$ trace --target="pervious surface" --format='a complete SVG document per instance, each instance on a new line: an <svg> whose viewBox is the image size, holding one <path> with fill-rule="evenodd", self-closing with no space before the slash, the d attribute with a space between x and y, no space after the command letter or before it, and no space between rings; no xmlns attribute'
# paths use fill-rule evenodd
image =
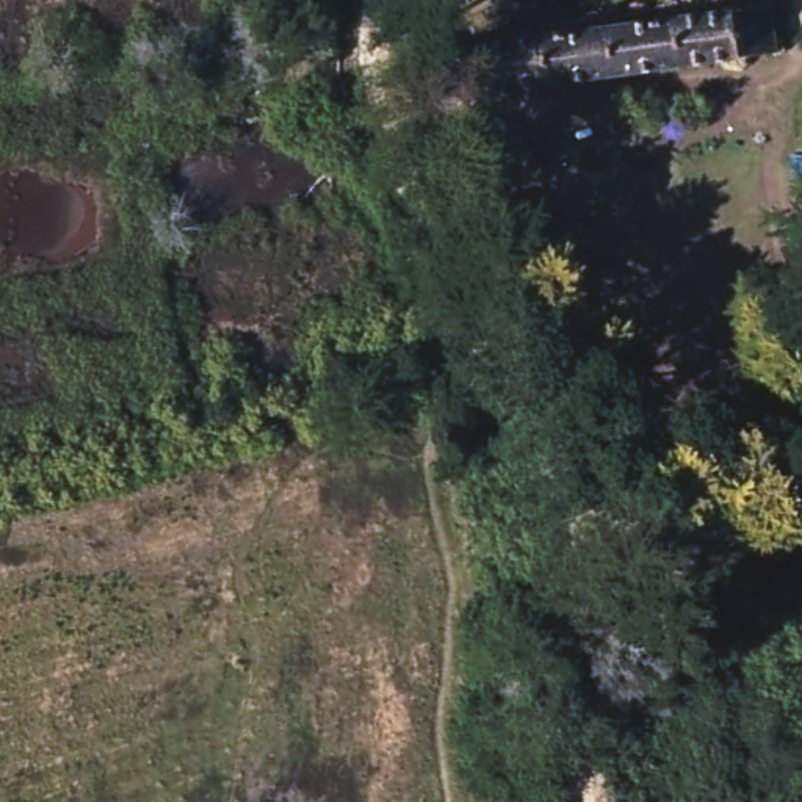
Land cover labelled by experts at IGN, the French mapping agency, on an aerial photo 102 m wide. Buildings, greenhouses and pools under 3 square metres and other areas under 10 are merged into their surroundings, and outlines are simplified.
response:
<svg viewBox="0 0 802 802"><path fill-rule="evenodd" d="M595 81L583 69L580 81L573 81L570 69L536 69L529 66L529 56L551 34L583 38L595 25L674 22L680 16L702 19L708 13L733 16L739 56L746 63L739 75L711 78L699 85L714 122L724 122L727 135L746 138L758 150L758 179L768 185L768 191L758 197L758 213L789 210L793 179L802 172L802 0L476 0L467 13L467 22L473 31L486 28L495 41L495 50L504 56L504 75L492 97L495 107L529 138L536 128L529 110L542 97L592 91L620 103L623 91L633 91L633 97L639 91L655 91L658 97L674 97L683 94L686 85L677 75L623 75Z"/></svg>
<svg viewBox="0 0 802 802"><path fill-rule="evenodd" d="M508 539L498 529L498 523L461 514L461 489L454 482L435 479L432 417L417 417L417 429L417 442L423 445L423 482L429 514L435 523L448 573L442 686L435 699L435 752L445 802L454 802L457 783L451 774L448 711L464 686L464 677L454 670L454 630L464 605L476 592L492 586L489 573L482 570L482 561L514 561L514 551L508 548Z"/></svg>
<svg viewBox="0 0 802 802"><path fill-rule="evenodd" d="M360 75L370 100L379 103L376 122L382 125L382 132L395 132L404 122L414 122L407 113L414 103L407 88L385 88L382 69L388 63L388 47L373 44L373 25L360 25L357 47L351 56L341 56L326 44L310 53L301 53L294 69L288 69L288 81L301 81L316 66L323 69L348 72L360 66Z"/></svg>
<svg viewBox="0 0 802 802"><path fill-rule="evenodd" d="M736 279L755 263L758 254L764 254L774 263L783 260L780 238L764 238L761 232L755 232L749 247L739 244L724 260L727 273Z"/></svg>
<svg viewBox="0 0 802 802"><path fill-rule="evenodd" d="M589 777L583 796L576 789L567 793L567 802L608 802L605 777L598 774Z"/></svg>

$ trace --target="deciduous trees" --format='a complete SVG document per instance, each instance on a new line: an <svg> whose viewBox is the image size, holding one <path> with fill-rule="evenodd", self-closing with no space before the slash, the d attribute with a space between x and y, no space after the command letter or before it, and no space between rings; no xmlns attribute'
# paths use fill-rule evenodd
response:
<svg viewBox="0 0 802 802"><path fill-rule="evenodd" d="M407 435L410 429L417 429L417 417L432 417L435 479L454 482L464 479L473 467L473 454L498 435L498 420L479 404L473 388L464 388L451 376L439 338L407 341L404 351L398 351L398 357L388 357L385 351L363 351L348 354L348 367L326 360L323 376L310 376L310 398L304 401L301 414L310 417L310 432L323 445L341 451L370 451L382 429L395 435Z"/></svg>
<svg viewBox="0 0 802 802"><path fill-rule="evenodd" d="M733 576L739 558L746 558L752 548L802 548L802 432L789 439L786 454L777 454L758 429L742 429L736 423L736 407L730 407L727 401L708 392L680 392L674 401L670 432L680 448L674 448L664 461L655 461L648 451L630 451L627 439L639 432L639 382L633 379L633 373L623 373L614 363L614 357L602 351L589 351L586 357L583 351L570 348L564 329L564 307L551 307L539 294L539 288L529 285L526 304L533 320L526 332L526 360L536 367L533 388L539 401L558 401L570 388L598 398L592 414L592 432L580 423L567 423L558 445L567 451L567 461L576 470L576 495L586 508L592 508L595 526L586 526L580 533L558 529L555 539L548 539L548 576L539 583L536 592L545 595L545 608L551 614L545 614L536 630L520 627L514 614L495 617L492 633L476 645L476 658L479 677L492 680L504 692L504 702L495 705L504 714L504 733L498 739L504 746L533 746L536 755L545 758L545 774L551 777L551 783L567 793L576 789L583 796L589 777L598 774L602 758L620 758L617 752L627 736L639 739L655 733L655 714L661 708L683 711L689 692L708 692L714 683L730 686L746 674L742 652L714 652L705 642L708 630L714 627L714 617L708 611L711 586L717 580Z"/></svg>

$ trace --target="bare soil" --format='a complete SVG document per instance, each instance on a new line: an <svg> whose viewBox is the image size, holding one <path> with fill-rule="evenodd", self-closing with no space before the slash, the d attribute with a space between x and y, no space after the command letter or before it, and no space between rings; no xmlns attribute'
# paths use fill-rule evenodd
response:
<svg viewBox="0 0 802 802"><path fill-rule="evenodd" d="M338 517L329 517L320 508L320 479L313 457L304 457L298 464L288 486L279 479L276 467L254 473L241 486L219 470L188 470L169 482L138 489L128 492L116 501L78 504L75 511L28 514L13 523L13 545L44 542L41 558L56 573L128 570L128 576L135 580L138 573L150 570L175 573L172 614L185 611L191 598L210 592L216 592L222 602L232 602L232 573L247 570L244 555L254 545L282 542L288 548L288 564L313 561L320 580L332 583L326 614L338 614L341 608L354 605L354 598L370 583L370 558L382 526L370 520L351 536L341 533Z"/></svg>
<svg viewBox="0 0 802 802"><path fill-rule="evenodd" d="M367 652L357 655L348 648L329 652L329 658L335 661L370 667L376 721L354 727L357 742L363 742L367 749L360 755L326 758L313 764L294 764L288 758L288 774L263 793L260 802L367 802L367 789L373 796L382 796L385 786L395 780L398 755L410 739L404 695L392 683L388 636L379 636L367 642Z"/></svg>

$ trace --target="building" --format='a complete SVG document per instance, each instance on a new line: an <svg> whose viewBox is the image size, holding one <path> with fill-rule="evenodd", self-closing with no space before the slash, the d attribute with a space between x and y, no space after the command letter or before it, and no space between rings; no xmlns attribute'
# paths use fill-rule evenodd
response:
<svg viewBox="0 0 802 802"><path fill-rule="evenodd" d="M583 38L551 34L529 56L529 66L536 69L570 69L573 81L580 81L583 69L595 81L623 75L677 75L686 85L699 85L711 78L739 75L746 63L739 56L733 16L708 13L702 19L680 16L674 22L595 25Z"/></svg>

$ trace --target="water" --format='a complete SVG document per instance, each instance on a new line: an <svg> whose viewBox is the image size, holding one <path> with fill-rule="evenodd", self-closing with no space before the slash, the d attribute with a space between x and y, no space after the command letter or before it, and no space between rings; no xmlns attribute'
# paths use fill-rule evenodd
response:
<svg viewBox="0 0 802 802"><path fill-rule="evenodd" d="M160 185L175 194L182 197L188 219L201 226L219 222L241 210L254 210L263 216L269 238L276 238L282 222L276 210L285 201L298 201L301 207L307 207L313 197L313 172L301 160L285 157L273 144L266 144L263 128L247 122L235 116L219 116L216 125L235 132L235 144L213 141L213 150L207 157L191 157L182 163L154 163L154 175L160 179Z"/></svg>
<svg viewBox="0 0 802 802"><path fill-rule="evenodd" d="M75 254L97 254L110 219L107 213L119 201L125 201L125 194L113 188L110 169L85 175L69 169L63 182L47 182L38 172L0 172L0 273L22 257L69 260Z"/></svg>

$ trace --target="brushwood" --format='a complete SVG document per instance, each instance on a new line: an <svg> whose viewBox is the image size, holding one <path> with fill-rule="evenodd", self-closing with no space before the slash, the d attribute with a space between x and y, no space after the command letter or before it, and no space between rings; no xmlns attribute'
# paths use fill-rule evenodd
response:
<svg viewBox="0 0 802 802"><path fill-rule="evenodd" d="M28 514L75 511L78 504L116 501L128 492L125 479L113 473L113 451L97 439L75 435L72 426L63 426L60 432L63 448L50 445L44 435L28 435L25 457L9 470L0 467L0 533L3 523L13 523Z"/></svg>
<svg viewBox="0 0 802 802"><path fill-rule="evenodd" d="M539 401L533 388L536 367L526 360L526 332L533 320L526 304L529 285L539 288L539 294L551 307L564 307L573 301L580 276L570 269L567 260L561 260L551 251L551 244L542 235L511 232L508 201L498 194L501 144L489 144L479 138L486 132L486 110L495 107L492 97L504 75L504 56L495 50L495 41L486 28L473 31L467 22L467 13L476 0L367 0L360 25L373 25L373 44L388 47L388 63L382 69L385 88L407 88L414 103L407 113L414 122L404 122L395 132L382 132L382 125L376 122L379 103L370 100L360 75L354 78L354 107L348 110L332 103L332 85L323 78L323 69L316 66L301 81L288 81L288 69L294 69L301 53L310 53L326 44L332 38L335 19L320 13L323 0L31 0L31 47L19 63L19 78L28 88L50 88L63 94L69 91L75 69L94 66L97 72L116 69L113 85L119 94L135 88L138 94L154 94L157 103L179 100L188 107L197 107L207 97L213 97L213 91L226 81L229 63L241 60L241 41L235 38L232 25L232 13L241 3L244 19L257 38L257 60L266 66L266 85L254 85L254 103L260 103L260 116L251 116L247 122L263 128L266 144L273 144L285 157L301 160L313 172L313 197L332 219L332 226L348 229L363 247L373 247L376 254L363 263L354 263L354 273L348 276L348 285L341 291L345 304L338 310L332 307L316 323L307 323L307 332L294 341L294 354L266 351L273 345L273 332L260 329L257 323L247 326L244 320L213 320L210 291L201 285L197 276L179 273L179 263L185 263L191 254L188 235L201 226L188 219L182 197L175 194L172 210L166 207L150 219L150 232L154 241L169 251L169 260L163 263L163 301L169 310L169 335L175 338L175 363L182 367L182 382L175 385L172 407L150 404L147 417L160 420L166 429L160 435L160 467L138 473L138 489L169 482L188 470L219 470L241 486L254 473L276 467L273 454L279 454L282 445L291 445L298 439L291 423L301 414L304 401L310 398L310 376L323 376L326 360L348 367L348 354L363 351L385 351L388 357L398 357L398 351L404 351L407 341L439 338L451 376L464 388L473 388L479 404L498 420L498 435L473 454L473 467L464 479L454 482L461 489L461 514L498 523L498 529L508 539L508 548L514 551L514 561L482 561L482 570L489 573L492 586L476 592L464 605L454 630L454 670L464 677L464 686L448 711L451 774L457 783L454 802L567 802L567 793L551 783L551 777L545 774L545 758L536 755L533 746L504 746L498 739L504 733L504 714L495 705L504 702L504 692L492 680L479 677L476 658L476 645L492 633L495 617L514 614L520 627L536 630L545 614L551 614L545 608L545 595L536 592L539 583L548 576L548 539L555 539L558 529L580 533L586 526L595 526L592 508L586 508L576 495L576 470L567 461L567 451L558 445L567 423L580 423L592 432L592 414L598 398L570 388L558 401Z"/></svg>
<svg viewBox="0 0 802 802"><path fill-rule="evenodd" d="M749 379L739 385L736 395L727 395L727 401L730 407L736 407L736 423L742 429L758 429L777 454L786 454L789 439L802 432L802 172L793 179L789 210L789 226L780 232L780 238L783 260L774 263L764 254L758 254L755 263L736 279L730 320L736 332L736 357Z"/></svg>
<svg viewBox="0 0 802 802"><path fill-rule="evenodd" d="M802 802L802 548L752 548L746 558L739 558L733 576L717 580L711 586L708 611L714 617L714 627L708 630L705 642L714 652L742 652L746 674L730 686L714 683L708 692L689 692L683 711L661 708L655 714L655 733L639 739L627 736L617 752L620 758L602 758L598 774L605 777L608 802Z"/></svg>
<svg viewBox="0 0 802 802"><path fill-rule="evenodd" d="M633 91L623 91L620 103L620 113L633 125L630 144L642 144L642 138L661 135L667 141L680 141L683 128L714 122L699 85L686 85L683 94L674 97L658 97L655 91L639 91L633 97Z"/></svg>

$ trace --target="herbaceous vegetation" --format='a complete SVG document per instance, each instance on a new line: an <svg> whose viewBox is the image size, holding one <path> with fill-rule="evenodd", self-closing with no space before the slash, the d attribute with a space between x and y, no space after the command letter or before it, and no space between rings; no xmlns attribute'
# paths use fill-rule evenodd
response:
<svg viewBox="0 0 802 802"><path fill-rule="evenodd" d="M642 138L642 144L630 144L633 125L620 113L620 103L592 91L542 97L529 110L536 128L529 138L495 107L486 110L486 132L479 138L489 144L501 144L498 194L508 201L511 232L542 235L551 244L551 251L561 260L567 260L570 269L580 276L573 301L564 307L564 329L570 348L583 351L586 357L589 351L602 351L614 357L614 363L623 373L633 373L633 379L639 382L639 432L627 439L630 451L648 451L655 461L664 461L674 448L680 448L670 432L674 401L680 392L708 392L727 401L727 395L736 395L739 385L749 379L736 357L736 332L730 320L736 279L727 273L724 260L739 244L749 247L755 232L761 232L764 238L780 238L780 232L789 226L789 210L758 213L758 197L768 191L768 185L758 179L758 150L746 138L727 135L724 122L714 122L683 128L680 141L667 141L661 135Z"/></svg>
<svg viewBox="0 0 802 802"><path fill-rule="evenodd" d="M448 573L435 523L429 514L423 482L423 445L417 442L417 429L410 429L407 435L395 435L382 429L370 451L341 451L323 445L310 432L310 417L301 414L291 423L298 439L291 445L282 445L279 454L273 454L276 467L279 479L288 486L298 464L304 457L313 457L320 479L320 508L329 517L338 517L341 533L351 536L370 520L382 526L370 558L370 583L354 598L354 605L341 608L338 614L326 614L332 583L320 580L313 561L288 564L288 548L282 542L254 545L244 555L247 570L232 573L232 602L222 602L216 592L210 592L191 598L185 611L172 614L175 573L150 570L138 573L135 580L128 576L128 570L56 573L41 558L44 542L13 545L13 523L3 523L0 533L0 802L260 802L263 793L288 774L288 758L294 764L313 764L326 758L360 755L367 749L363 742L357 742L354 727L376 721L370 667L335 661L329 658L329 652L348 648L357 655L367 652L367 642L379 636L388 636L392 683L404 695L410 739L398 755L395 780L385 786L382 796L373 796L367 789L367 802L445 802L435 752L435 699L442 686Z"/></svg>
<svg viewBox="0 0 802 802"><path fill-rule="evenodd" d="M188 235L191 254L185 263L179 263L179 273L197 276L201 285L210 291L213 320L244 320L247 326L257 323L260 329L273 332L273 345L266 351L294 354L294 341L307 332L307 323L316 323L332 307L338 310L345 304L341 291L348 285L348 276L354 273L354 263L363 263L376 254L373 247L363 247L348 229L332 226L332 219L313 197L307 207L301 207L298 201L285 201L276 210L282 222L276 238L269 238L263 216L254 210L241 210L219 222L201 226Z"/></svg>
<svg viewBox="0 0 802 802"><path fill-rule="evenodd" d="M332 85L332 103L348 110L354 107L354 78L360 75L360 66L348 72L323 69L323 78Z"/></svg>
<svg viewBox="0 0 802 802"><path fill-rule="evenodd" d="M332 38L326 44L341 56L351 56L357 47L360 25L367 0L323 0L320 13L335 19Z"/></svg>
<svg viewBox="0 0 802 802"><path fill-rule="evenodd" d="M128 492L138 489L138 473L160 467L160 435L166 429L160 420L147 417L150 404L172 407L175 385L182 382L182 367L175 363L175 338L169 335L169 310L163 301L163 263L169 260L169 251L154 241L150 232L150 219L166 207L172 210L175 194L160 185L160 179L154 175L154 163L182 163L191 157L207 157L213 150L213 141L235 144L235 132L216 125L219 116L235 116L247 122L251 116L260 116L260 103L254 103L254 85L266 85L266 66L257 60L257 38L244 19L241 3L232 13L232 25L235 38L241 41L241 60L229 63L226 81L213 91L213 97L207 97L197 107L188 107L179 100L157 103L154 94L138 94L135 88L119 94L113 85L116 69L97 72L94 66L75 69L69 91L63 94L50 88L28 88L19 78L19 63L31 47L31 0L0 0L0 172L38 172L47 182L63 182L69 169L85 175L110 169L113 188L125 194L125 201L119 201L107 213L110 219L97 254L75 254L69 260L22 257L0 273L0 467L9 470L25 457L28 435L44 435L50 445L63 448L60 432L63 426L72 426L75 435L97 439L113 451L113 473L125 479Z"/></svg>

